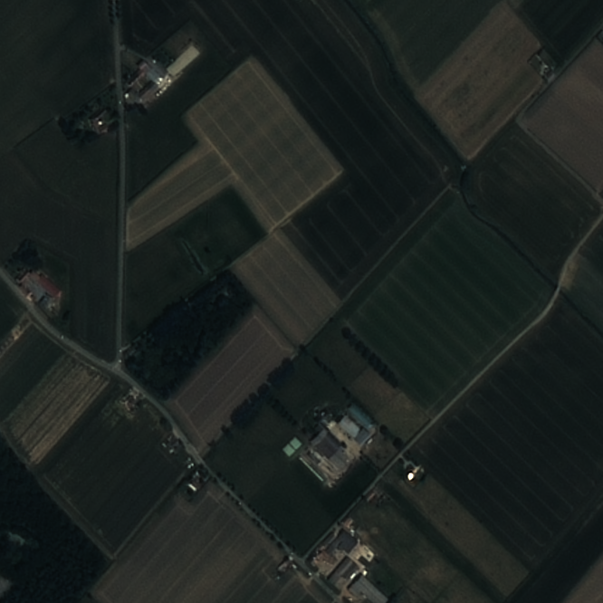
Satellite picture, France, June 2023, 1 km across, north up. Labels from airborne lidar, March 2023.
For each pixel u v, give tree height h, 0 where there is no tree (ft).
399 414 0
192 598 0
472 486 0
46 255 0
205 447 0
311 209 0
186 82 0
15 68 0
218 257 0
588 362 0
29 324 0
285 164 0
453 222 0
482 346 0
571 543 0
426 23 0
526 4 0
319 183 0
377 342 0
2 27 0
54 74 0
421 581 0
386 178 0
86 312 0
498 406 0
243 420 68
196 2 0
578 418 0
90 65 0
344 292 0
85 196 0
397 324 0
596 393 0
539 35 0
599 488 0
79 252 0
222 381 0
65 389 0
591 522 0
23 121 0
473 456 0
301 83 0
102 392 0
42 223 0
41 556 63
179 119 0
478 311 0
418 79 0
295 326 0
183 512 0
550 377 0
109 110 29
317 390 0
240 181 0
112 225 0
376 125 0
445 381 0
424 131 0
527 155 0
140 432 0
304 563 0
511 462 0
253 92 0
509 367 0
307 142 0
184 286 0
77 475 0
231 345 0
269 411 0
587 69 0
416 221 0
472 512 0
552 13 0
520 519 0
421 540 0
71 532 60
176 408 0
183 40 0
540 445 0
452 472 0
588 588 0
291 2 0
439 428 0
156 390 67
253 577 0
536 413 0
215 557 0
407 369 0
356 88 0
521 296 0
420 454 0
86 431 0
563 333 0
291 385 0
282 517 0
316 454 0
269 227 0
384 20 0
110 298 0
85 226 0
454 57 0
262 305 0
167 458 0
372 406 0
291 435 0
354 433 0
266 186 0
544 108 0
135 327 0
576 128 0
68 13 0
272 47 0
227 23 0
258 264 0
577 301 0
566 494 0
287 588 0
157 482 0
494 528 0
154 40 0
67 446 0
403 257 0
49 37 0
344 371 0
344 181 0
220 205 0
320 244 0
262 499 0
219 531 0
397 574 0
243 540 0
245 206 0
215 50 0
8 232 0
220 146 0
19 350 0
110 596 0
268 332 0
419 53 0
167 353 72
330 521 0
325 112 0
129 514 0
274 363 0
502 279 0
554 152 0
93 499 0
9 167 0
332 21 0
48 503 62
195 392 0
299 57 0
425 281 0
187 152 0
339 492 0
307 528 0
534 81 0
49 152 0
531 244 0
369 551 0
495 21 0
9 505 72
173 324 118
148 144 0
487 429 0
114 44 0
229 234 0
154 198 0
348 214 0
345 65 0
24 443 0
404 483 0
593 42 0
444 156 0
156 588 0
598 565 0
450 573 0
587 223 0
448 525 0
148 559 0
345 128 0
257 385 0
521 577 0
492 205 0
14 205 0
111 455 0
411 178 0
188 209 0
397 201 0
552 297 0
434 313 0
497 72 0
